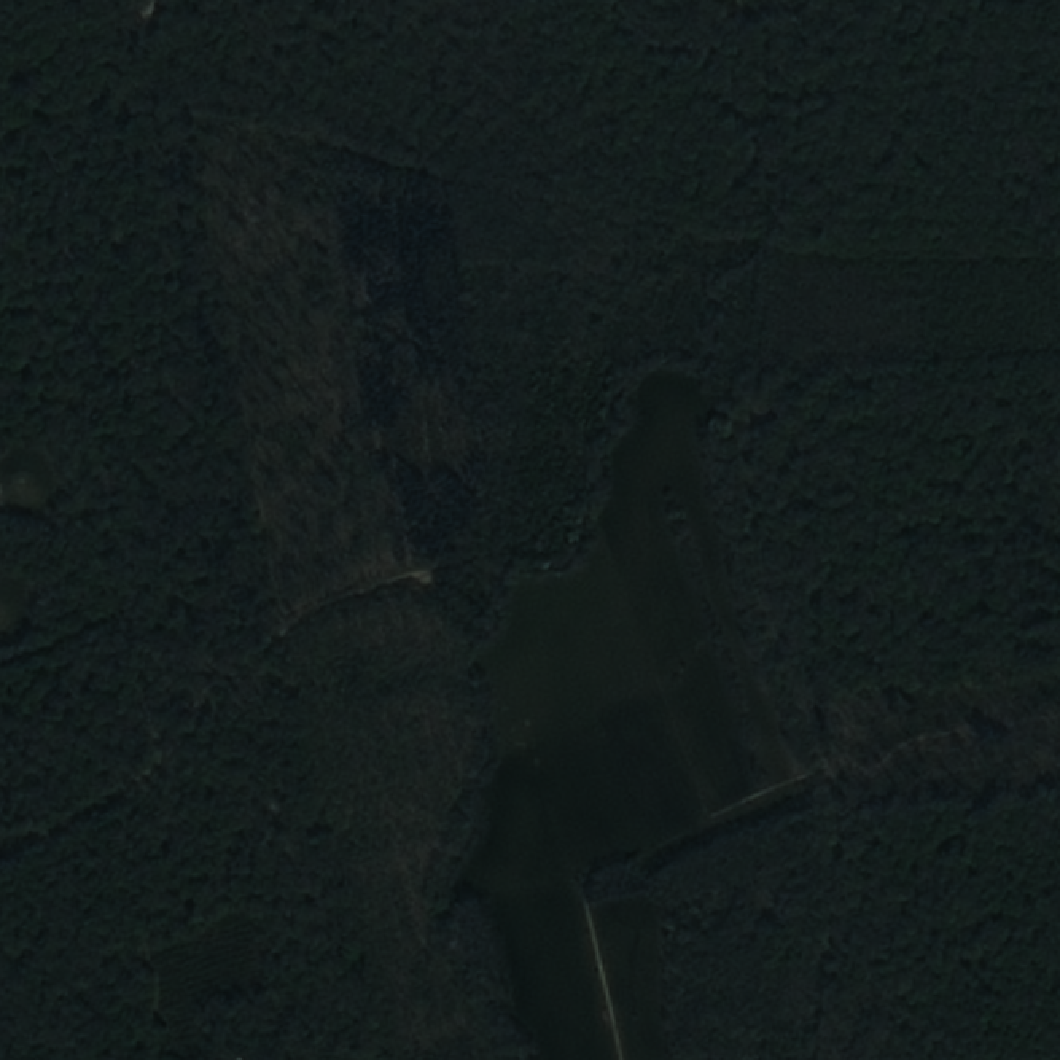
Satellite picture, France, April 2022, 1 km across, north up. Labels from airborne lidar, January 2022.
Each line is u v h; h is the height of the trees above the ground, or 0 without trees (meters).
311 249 25
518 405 17
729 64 25
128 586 18
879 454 19
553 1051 0
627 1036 0
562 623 0
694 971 21
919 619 26
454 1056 12
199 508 24
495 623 20
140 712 22
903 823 28
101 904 24
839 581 25
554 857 0
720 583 0
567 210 25
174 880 19
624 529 0
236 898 22
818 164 26
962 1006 24
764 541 24
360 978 27
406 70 25
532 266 21
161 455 24
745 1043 19
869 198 27
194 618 16
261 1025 22
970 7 26
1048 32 25
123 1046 26
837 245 18
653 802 0
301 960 24
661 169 25
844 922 23
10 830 14
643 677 0
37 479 0
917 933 25
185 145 22
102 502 24
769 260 19
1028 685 21
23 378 24
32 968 20
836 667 28
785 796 0
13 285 21
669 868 22
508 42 23
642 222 27
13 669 20
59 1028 28
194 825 26
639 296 19
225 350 22
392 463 22
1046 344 11
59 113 22
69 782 20
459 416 0
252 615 28
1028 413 22
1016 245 20
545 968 0
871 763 27
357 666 15
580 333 20
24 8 26
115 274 22
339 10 25
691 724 0
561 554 17
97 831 22
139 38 20
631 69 24
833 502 23
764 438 20
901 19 27
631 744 0
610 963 0
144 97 26
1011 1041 24
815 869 21
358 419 21
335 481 28
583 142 24
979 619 28
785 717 15
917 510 22
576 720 0
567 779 0
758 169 21
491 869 0
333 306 25
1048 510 28
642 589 0
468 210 25
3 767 21
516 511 18
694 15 30
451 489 17
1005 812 22
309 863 24
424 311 18
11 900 23
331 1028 24
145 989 19
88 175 26
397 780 0
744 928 23
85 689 25
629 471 0
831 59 29
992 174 23
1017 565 28
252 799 28
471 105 25
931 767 24
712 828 0
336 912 23
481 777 15
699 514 0
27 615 0
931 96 25
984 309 15
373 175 20
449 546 18
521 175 26
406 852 0
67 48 25
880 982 25
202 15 23
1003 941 23
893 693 22
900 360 24
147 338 25
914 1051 28
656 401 0
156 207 24
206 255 29
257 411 27
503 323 16
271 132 0
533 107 27
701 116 27
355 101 25
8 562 17
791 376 25
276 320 25
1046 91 22
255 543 29
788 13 24
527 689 0
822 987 17
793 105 27
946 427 20
